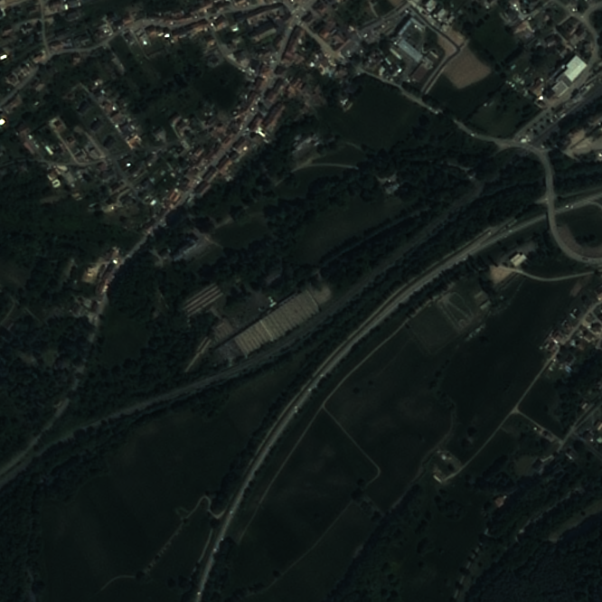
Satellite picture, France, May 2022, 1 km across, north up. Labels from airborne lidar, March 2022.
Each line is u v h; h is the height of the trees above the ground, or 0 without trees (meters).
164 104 0
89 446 19
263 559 0
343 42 0
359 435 0
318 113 0
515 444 0
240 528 0
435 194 25
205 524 0
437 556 0
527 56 0
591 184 13
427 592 0
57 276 9
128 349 0
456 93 0
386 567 14
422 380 0
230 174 0
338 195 30
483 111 0
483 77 0
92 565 0
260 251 20
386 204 0
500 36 0
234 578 0
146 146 0
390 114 0
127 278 28
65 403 0
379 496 0
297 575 0
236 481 16
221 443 0
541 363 0
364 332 0
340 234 0
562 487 12
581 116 18
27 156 10
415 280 0
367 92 0
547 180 0
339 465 0
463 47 0
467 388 0
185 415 0
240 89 0
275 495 0
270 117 0
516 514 12
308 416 0
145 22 0
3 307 9
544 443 13
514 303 0
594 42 0
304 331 0
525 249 0
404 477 0
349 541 0
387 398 0
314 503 0
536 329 0
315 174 0
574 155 0
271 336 0
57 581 0
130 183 0
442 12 0
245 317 0
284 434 7
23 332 23
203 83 0
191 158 0
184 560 0
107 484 0
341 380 0
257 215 0
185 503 0
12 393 14
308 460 0
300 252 0
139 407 0
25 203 8
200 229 27
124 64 0
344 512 0
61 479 26
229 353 0
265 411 0
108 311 0
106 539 0
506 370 0
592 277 0
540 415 0
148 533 0
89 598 0
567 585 16
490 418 0
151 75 0
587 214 0
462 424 0
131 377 18
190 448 0
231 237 0
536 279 0
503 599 21
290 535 0
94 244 0
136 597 0
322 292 0
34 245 12
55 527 0
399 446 0
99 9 0
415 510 17
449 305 0
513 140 0
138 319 16
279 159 21
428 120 17
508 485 30
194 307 0
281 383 0
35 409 16
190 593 16
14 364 19
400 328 0
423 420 0
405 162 16
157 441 0
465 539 0
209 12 0
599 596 33
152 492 0
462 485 0
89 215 0
